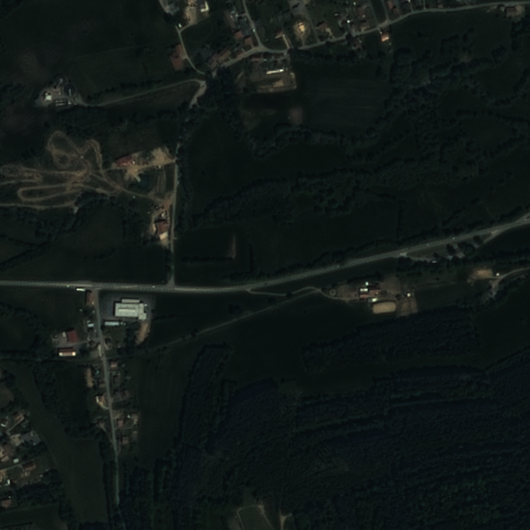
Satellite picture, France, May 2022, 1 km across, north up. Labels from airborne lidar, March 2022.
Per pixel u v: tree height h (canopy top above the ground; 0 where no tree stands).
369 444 31
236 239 0
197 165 0
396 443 27
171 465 20
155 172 0
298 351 0
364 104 0
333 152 0
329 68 0
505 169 0
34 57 0
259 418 27
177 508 19
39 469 0
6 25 0
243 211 22
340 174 15
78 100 0
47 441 0
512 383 23
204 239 0
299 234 0
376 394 17
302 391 0
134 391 0
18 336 0
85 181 0
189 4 0
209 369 13
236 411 27
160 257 0
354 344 19
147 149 0
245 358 0
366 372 0
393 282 0
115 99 0
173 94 0
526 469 26
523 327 0
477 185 0
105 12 0
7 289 0
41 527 0
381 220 0
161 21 0
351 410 21
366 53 0
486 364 0
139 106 0
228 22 0
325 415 23
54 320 0
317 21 0
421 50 0
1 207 0
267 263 0
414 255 0
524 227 0
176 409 0
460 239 0
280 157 0
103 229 0
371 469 23
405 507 16
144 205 0
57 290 0
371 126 0
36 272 0
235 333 0
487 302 0
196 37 0
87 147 0
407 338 15
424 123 14
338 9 0
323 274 0
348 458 32
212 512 15
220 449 25
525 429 30
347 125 0
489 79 0
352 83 0
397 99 14
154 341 0
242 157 0
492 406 29
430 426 27
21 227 0
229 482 13
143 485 24
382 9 0
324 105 0
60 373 0
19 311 13
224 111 18
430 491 10
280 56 0
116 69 0
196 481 26
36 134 0
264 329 0
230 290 0
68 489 0
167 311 0
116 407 0
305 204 0
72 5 0
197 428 15
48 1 0
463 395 14
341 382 0
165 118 17
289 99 0
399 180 15
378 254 0
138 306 0
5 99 17
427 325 21
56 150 0
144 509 25
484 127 0
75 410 0
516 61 0
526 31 21
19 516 0
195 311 0
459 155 0
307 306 0
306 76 0
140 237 8
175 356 0
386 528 18
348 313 0
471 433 28
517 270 0
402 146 0
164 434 0
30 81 0
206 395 14
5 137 0
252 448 6
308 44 0
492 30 0
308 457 9
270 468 9
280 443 11
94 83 0
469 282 0
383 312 0
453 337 17
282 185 18
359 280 9
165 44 0
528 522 20
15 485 14
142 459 0
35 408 0
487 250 0
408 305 0
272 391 29
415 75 21
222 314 0
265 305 0
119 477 0
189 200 13
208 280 0
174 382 0
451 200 0
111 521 13
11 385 20
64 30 0
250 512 0
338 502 22
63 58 0
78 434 16
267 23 0
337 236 0
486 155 16
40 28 0
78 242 0
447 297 0
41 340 14
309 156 0
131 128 0
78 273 0
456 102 0
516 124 20
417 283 0
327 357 20
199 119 18
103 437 18
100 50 0
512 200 0
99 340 0
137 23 0
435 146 13
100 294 0
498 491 25
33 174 0
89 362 0
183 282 0
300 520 24
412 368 0
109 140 0
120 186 0
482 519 19
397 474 22
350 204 14
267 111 0
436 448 7
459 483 23
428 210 0
